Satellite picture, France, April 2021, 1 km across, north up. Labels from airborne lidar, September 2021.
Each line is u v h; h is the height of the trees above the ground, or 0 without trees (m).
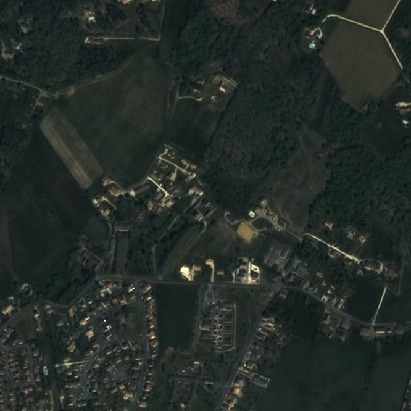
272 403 0
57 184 0
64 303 16
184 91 14
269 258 0
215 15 8
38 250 0
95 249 6
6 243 0
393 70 0
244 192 8
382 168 19
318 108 0
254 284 0
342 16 0
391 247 10
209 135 0
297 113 16
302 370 0
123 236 12
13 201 0
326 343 0
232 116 17
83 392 0
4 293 0
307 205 0
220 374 0
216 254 0
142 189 0
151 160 0
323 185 0
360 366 0
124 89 0
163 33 9
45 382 8
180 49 12
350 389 0
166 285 0
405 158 23
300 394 0
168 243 23
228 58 17
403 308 0
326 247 6
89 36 10
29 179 0
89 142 0
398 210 13
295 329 0
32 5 22
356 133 13
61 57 20
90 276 17
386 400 0
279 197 0
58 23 20
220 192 7
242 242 0
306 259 15
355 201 17
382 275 10
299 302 0
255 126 19
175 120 0
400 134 0
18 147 16
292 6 16
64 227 0
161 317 0
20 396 8
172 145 0
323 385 0
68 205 0
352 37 0
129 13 0
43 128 0
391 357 0
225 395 0
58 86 15
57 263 0
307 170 0
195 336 11
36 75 24
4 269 0
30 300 9
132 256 16
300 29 22
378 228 0
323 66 10
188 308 0
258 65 18
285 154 11
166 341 0
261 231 0
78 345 8
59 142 0
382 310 0
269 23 12
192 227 8
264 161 16
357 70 0
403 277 0
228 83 0
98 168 0
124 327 14
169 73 0
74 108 0
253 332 0
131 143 0
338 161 20
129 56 16
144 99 0
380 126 0
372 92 0
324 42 7
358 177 19
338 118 12
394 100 0
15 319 0
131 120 0
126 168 0
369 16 0
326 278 0
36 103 9
